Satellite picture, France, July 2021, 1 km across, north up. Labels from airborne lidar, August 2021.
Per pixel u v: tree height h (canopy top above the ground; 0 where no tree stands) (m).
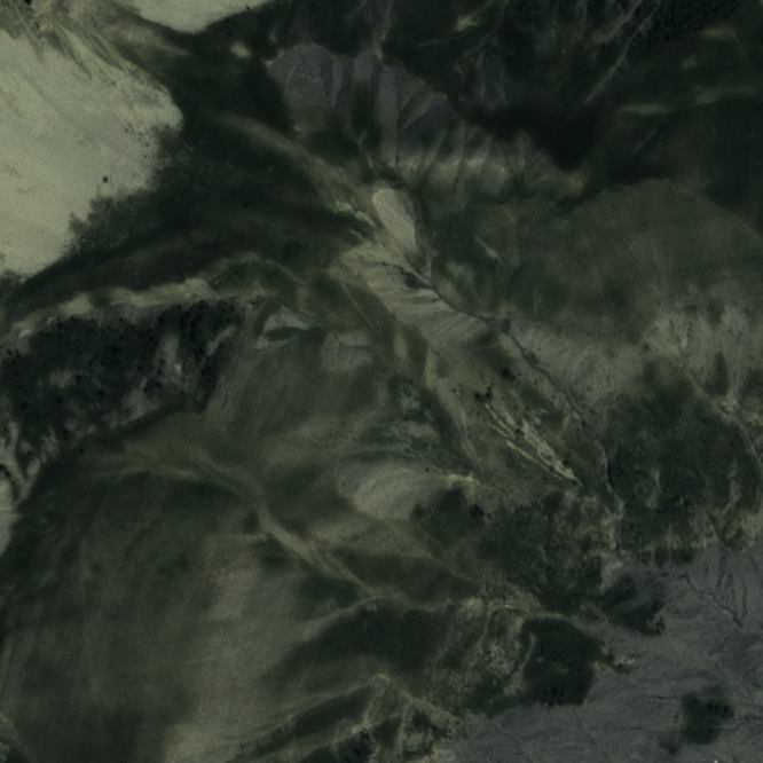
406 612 0
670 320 0
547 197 0
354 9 0
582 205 0
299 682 0
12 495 0
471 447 0
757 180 0
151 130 0
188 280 0
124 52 0
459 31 0
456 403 0
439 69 0
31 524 0
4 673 0
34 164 0
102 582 0
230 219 0
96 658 0
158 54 0
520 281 0
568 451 0
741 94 0
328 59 0
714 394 0
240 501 0
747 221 0
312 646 0
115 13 0
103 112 0
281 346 0
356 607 0
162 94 0
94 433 0
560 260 0
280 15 0
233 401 0
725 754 0
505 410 0
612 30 0
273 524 0
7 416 0
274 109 0
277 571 0
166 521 0
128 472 0
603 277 0
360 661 0
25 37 0
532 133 0
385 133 0
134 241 0
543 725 0
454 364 0
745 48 0
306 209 0
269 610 0
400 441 0
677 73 0
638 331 0
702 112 0
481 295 0
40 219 0
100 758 0
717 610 0
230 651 0
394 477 0
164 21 0
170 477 0
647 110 0
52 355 0
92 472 0
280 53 0
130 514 0
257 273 0
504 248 0
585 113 0
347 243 0
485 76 0
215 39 0
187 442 0
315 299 0
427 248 0
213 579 0
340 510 0
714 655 0
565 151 0
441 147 0
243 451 0
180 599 0
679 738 0
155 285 0
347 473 0
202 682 0
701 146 0
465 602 0
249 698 0
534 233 0
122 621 0
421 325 0
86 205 0
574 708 0
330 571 0
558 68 0
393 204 0
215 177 0
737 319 0
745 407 0
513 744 0
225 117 0
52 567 0
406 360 0
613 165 0
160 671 0
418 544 0
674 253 0
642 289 0
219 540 0
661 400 0
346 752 0
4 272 0
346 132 0
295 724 0
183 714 0
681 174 0
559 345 0
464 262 0
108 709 0
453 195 0
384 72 0
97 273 0
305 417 0
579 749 0
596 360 0
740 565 0
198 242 0
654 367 0
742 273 0
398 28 0
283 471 0
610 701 0
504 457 0
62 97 0
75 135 0
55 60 0
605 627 0
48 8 0
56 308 0
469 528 0
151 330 6
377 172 0
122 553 0
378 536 0
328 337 0
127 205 0
